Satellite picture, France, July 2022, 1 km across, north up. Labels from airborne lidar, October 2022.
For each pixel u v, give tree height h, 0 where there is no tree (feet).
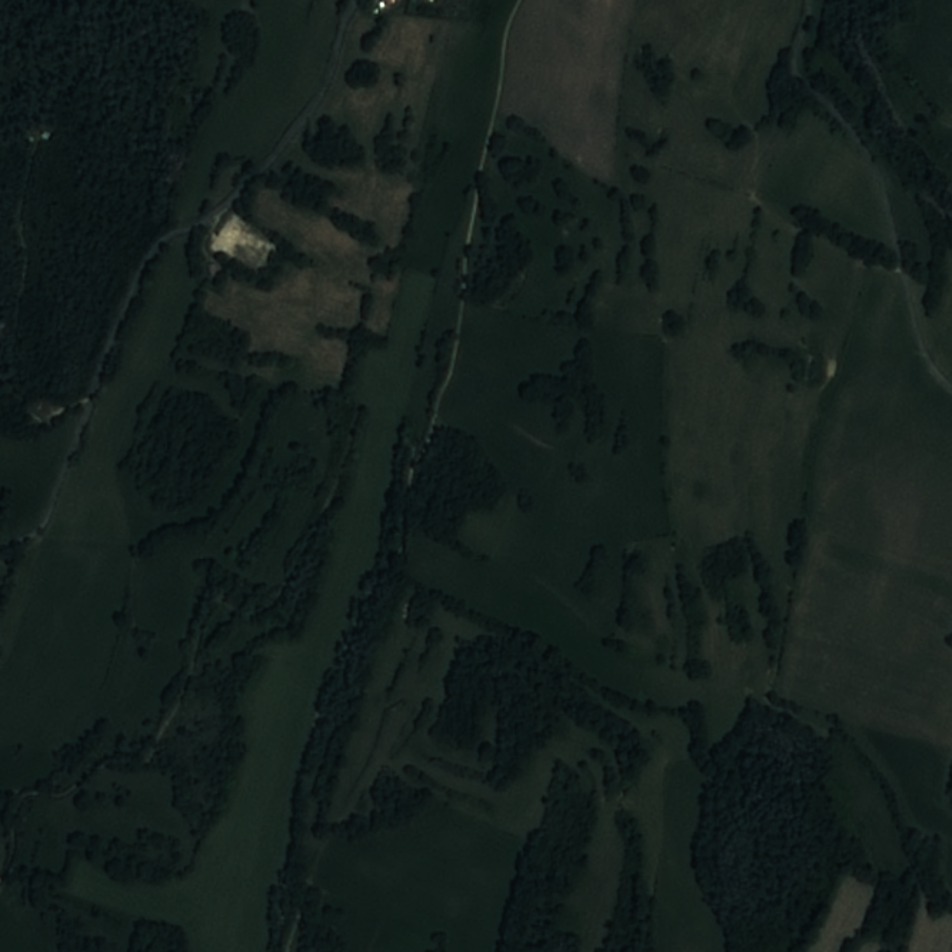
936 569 0
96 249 36
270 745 0
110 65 63
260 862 0
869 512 0
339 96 0
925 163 39
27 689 0
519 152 0
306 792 54
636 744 70
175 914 0
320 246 0
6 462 0
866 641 0
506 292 24
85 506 0
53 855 0
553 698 29
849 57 62
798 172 0
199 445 37
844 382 0
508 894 0
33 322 31
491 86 0
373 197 0
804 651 0
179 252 0
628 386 0
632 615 63
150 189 34
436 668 0
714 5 0
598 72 0
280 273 34
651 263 43
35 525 0
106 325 38
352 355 26
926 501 0
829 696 0
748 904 77
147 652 46
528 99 0
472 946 0
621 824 33
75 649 0
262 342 0
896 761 0
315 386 0
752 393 0
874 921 64
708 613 0
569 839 22
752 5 0
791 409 0
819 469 0
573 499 0
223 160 49
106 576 0
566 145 0
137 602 0
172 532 52
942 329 0
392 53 0
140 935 42
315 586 62
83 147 38
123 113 52
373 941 0
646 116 0
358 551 0
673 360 0
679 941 0
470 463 50
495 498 48
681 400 0
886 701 0
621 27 0
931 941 0
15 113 64
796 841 53
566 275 52
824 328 0
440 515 52
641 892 88
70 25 22
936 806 0
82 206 24
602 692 44
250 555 52
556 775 34
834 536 0
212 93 60
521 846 0
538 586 0
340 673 27
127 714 0
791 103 58
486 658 65
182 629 0
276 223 0
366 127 0
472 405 0
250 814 0
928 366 0
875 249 30
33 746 0
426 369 44
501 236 40
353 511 0
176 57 36
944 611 0
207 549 0
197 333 30
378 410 0
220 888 0
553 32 0
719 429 0
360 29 0
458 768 22
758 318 30
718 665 0
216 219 0
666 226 0
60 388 48
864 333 0
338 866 0
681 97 0
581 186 0
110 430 0
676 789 0
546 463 0
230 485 0
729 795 69
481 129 0
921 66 0
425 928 0
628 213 46
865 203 0
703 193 0
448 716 33
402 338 0
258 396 32
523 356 0
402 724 0
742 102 0
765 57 0
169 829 0
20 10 51
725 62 0
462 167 0
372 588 36
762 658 0
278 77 0
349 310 0
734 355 27
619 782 63
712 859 42
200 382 0
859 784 0
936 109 51
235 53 48
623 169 0
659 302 0
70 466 20
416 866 0
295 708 0
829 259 0
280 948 31
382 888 0
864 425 0
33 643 0
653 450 0
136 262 45
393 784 47
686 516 0
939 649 0
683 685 0
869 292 0
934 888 71
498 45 0
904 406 0
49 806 0
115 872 57
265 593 39
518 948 62
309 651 0
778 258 0
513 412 0
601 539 0
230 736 37
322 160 50
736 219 0
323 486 21
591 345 52
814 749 72
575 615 0
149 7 60
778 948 36
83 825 0
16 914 0
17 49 25
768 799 89
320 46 0
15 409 46
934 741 0
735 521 0
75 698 0
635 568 64
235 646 0
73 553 0
